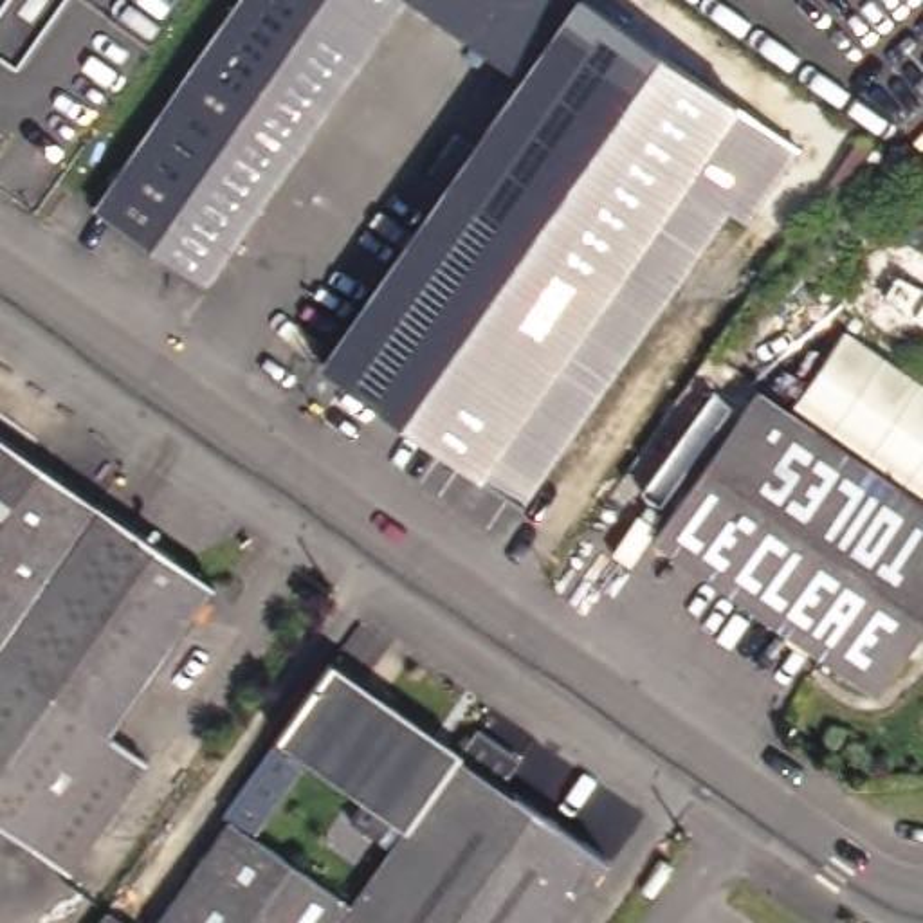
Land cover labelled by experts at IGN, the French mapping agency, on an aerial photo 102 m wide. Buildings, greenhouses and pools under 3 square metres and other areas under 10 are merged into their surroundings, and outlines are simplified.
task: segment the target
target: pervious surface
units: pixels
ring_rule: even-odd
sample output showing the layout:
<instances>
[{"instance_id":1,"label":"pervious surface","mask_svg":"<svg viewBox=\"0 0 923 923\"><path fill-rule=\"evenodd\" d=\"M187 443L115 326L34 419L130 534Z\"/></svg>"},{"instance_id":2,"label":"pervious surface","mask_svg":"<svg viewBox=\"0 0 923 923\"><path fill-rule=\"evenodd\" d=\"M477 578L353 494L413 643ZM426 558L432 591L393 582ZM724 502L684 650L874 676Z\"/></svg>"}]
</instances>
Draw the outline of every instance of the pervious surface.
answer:
<instances>
[{"instance_id":1,"label":"pervious surface","mask_svg":"<svg viewBox=\"0 0 923 923\"><path fill-rule=\"evenodd\" d=\"M790 141L800 148L800 155L786 159L786 169L764 187L746 224L728 220L725 231L710 242L707 256L696 263L692 278L681 285L663 317L649 328L635 357L620 368L617 382L606 389L606 397L577 433L573 447L559 458L541 490L526 501L523 526L562 537L591 505L591 490L606 476L606 469L613 469L620 480L649 483L660 462L678 443L678 436L710 400L699 368L707 364L717 343L739 314L743 299L750 299L750 292L757 288L768 288L764 263L775 252L768 238L775 234L775 216L793 220L818 198L836 202L840 184L858 166L865 166L862 148L847 144L840 130L833 130L822 119L808 137L790 133Z\"/></svg>"}]
</instances>

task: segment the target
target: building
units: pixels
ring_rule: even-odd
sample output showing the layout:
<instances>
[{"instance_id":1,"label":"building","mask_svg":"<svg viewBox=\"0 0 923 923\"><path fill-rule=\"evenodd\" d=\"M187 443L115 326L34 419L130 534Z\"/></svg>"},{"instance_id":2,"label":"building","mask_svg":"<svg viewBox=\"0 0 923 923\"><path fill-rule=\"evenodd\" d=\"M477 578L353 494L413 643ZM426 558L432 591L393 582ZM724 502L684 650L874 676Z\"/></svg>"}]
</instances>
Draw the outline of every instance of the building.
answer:
<instances>
[{"instance_id":1,"label":"building","mask_svg":"<svg viewBox=\"0 0 923 923\"><path fill-rule=\"evenodd\" d=\"M725 602L732 602L736 617L746 627L764 624L790 653L818 660L818 667L829 667L858 696L880 696L891 674L909 656L909 649L923 642L923 382L880 361L862 343L840 339L800 404L779 407L768 397L750 400L739 429L710 462L692 498L678 512L678 519L685 519L678 534L681 548L714 566L703 584L714 588Z\"/></svg>"},{"instance_id":2,"label":"building","mask_svg":"<svg viewBox=\"0 0 923 923\"><path fill-rule=\"evenodd\" d=\"M379 873L368 880L361 898L339 901L303 876L296 840L278 840L267 833L267 815L288 797L285 790L303 772L314 772L332 790L339 790L343 804L357 804L357 815L350 822L357 833L368 836L368 847L386 851ZM606 869L599 854L580 847L573 836L555 829L523 800L505 797L501 790L472 775L447 743L433 739L422 725L371 696L353 678L324 671L303 699L303 707L285 725L285 732L278 736L274 750L260 761L245 790L234 797L220 840L195 869L195 876L187 880L173 909L162 916L162 923L606 923L631 891L620 876Z\"/></svg>"},{"instance_id":3,"label":"building","mask_svg":"<svg viewBox=\"0 0 923 923\"><path fill-rule=\"evenodd\" d=\"M101 894L105 876L90 873L94 844L108 833L112 818L119 815L130 790L141 782L141 772L148 764L144 746L123 732L133 721L137 703L144 699L144 678L151 674L151 663L137 653L159 631L177 645L177 638L195 624L209 624L216 591L213 584L198 580L195 573L173 562L166 552L159 552L155 534L133 534L130 526L79 498L76 490L69 490L65 483L58 483L36 462L29 462L0 440L0 840L22 847L54 876L87 880Z\"/></svg>"},{"instance_id":4,"label":"building","mask_svg":"<svg viewBox=\"0 0 923 923\"><path fill-rule=\"evenodd\" d=\"M54 29L65 22L72 0L0 0L0 72L29 72L29 65L54 36Z\"/></svg>"},{"instance_id":5,"label":"building","mask_svg":"<svg viewBox=\"0 0 923 923\"><path fill-rule=\"evenodd\" d=\"M166 97L166 105L159 108L159 115L148 123L148 130L141 133L141 141L133 144L105 195L97 202L87 202L79 245L90 245L90 238L119 231L133 245L151 249L159 263L191 274L195 285L216 285L234 256L245 256L249 231L267 213L278 187L310 151L314 137L324 130L346 90L368 69L371 54L393 32L407 7L422 11L443 32L451 32L462 43L462 54L480 54L483 65L508 72L519 61L526 40L534 36L548 0L234 0L224 22L198 50L198 58L173 87L173 94Z\"/></svg>"},{"instance_id":6,"label":"building","mask_svg":"<svg viewBox=\"0 0 923 923\"><path fill-rule=\"evenodd\" d=\"M606 397L606 389L617 382L620 368L635 357L649 328L663 317L681 285L692 278L696 263L707 256L710 242L725 231L728 220L746 224L764 187L786 169L786 159L800 155L800 148L790 141L761 126L754 115L728 108L681 72L660 65L645 47L638 47L591 7L573 7L548 40L548 47L537 54L530 72L512 87L512 94L483 130L480 144L458 166L458 173L429 206L429 213L411 216L411 242L400 249L400 256L389 263L389 270L364 299L353 324L321 361L324 379L339 386L346 397L368 404L389 425L400 425L407 443L451 465L469 483L498 487L526 501L541 490L559 458L573 447L577 433Z\"/></svg>"}]
</instances>

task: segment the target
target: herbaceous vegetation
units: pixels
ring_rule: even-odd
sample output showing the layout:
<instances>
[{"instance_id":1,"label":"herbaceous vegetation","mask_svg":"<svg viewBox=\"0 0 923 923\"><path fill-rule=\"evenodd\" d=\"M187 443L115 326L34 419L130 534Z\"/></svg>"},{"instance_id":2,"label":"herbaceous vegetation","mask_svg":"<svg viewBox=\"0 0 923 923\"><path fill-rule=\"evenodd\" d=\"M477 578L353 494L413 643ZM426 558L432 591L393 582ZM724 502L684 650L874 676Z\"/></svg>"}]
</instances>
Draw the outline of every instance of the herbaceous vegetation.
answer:
<instances>
[{"instance_id":1,"label":"herbaceous vegetation","mask_svg":"<svg viewBox=\"0 0 923 923\"><path fill-rule=\"evenodd\" d=\"M288 797L267 815L267 833L278 840L296 840L303 876L339 901L361 898L368 880L379 873L386 851L368 847L357 865L350 865L343 854L328 847L324 833L343 804L339 790L332 790L314 772L303 772L285 790Z\"/></svg>"},{"instance_id":2,"label":"herbaceous vegetation","mask_svg":"<svg viewBox=\"0 0 923 923\"><path fill-rule=\"evenodd\" d=\"M631 891L606 923L642 923L653 901L642 887Z\"/></svg>"},{"instance_id":3,"label":"herbaceous vegetation","mask_svg":"<svg viewBox=\"0 0 923 923\"><path fill-rule=\"evenodd\" d=\"M916 775L901 775L851 786L862 800L887 808L898 818L923 815L923 782Z\"/></svg>"},{"instance_id":4,"label":"herbaceous vegetation","mask_svg":"<svg viewBox=\"0 0 923 923\"><path fill-rule=\"evenodd\" d=\"M782 707L790 707L790 725L804 728L804 754L818 768L826 764L826 736L833 728L833 717L847 710L833 703L815 681L793 681L786 689Z\"/></svg>"},{"instance_id":5,"label":"herbaceous vegetation","mask_svg":"<svg viewBox=\"0 0 923 923\"><path fill-rule=\"evenodd\" d=\"M166 105L166 97L173 94L173 87L198 58L198 50L224 22L234 0L180 0L159 22L159 32L151 36L155 47L144 58L126 58L126 87L112 90L101 105L101 115L115 126L115 137L105 159L83 180L87 202L97 202L105 195L133 144L141 141L141 133L148 130L148 123L159 115L159 108Z\"/></svg>"},{"instance_id":6,"label":"herbaceous vegetation","mask_svg":"<svg viewBox=\"0 0 923 923\"><path fill-rule=\"evenodd\" d=\"M231 584L231 573L245 559L242 541L206 548L202 566L195 573L198 580L213 584Z\"/></svg>"},{"instance_id":7,"label":"herbaceous vegetation","mask_svg":"<svg viewBox=\"0 0 923 923\"><path fill-rule=\"evenodd\" d=\"M400 667L393 681L415 703L422 703L429 714L443 721L458 696L429 674Z\"/></svg>"},{"instance_id":8,"label":"herbaceous vegetation","mask_svg":"<svg viewBox=\"0 0 923 923\"><path fill-rule=\"evenodd\" d=\"M772 901L754 883L736 880L728 891L728 905L746 912L754 923L804 923L797 912Z\"/></svg>"}]
</instances>

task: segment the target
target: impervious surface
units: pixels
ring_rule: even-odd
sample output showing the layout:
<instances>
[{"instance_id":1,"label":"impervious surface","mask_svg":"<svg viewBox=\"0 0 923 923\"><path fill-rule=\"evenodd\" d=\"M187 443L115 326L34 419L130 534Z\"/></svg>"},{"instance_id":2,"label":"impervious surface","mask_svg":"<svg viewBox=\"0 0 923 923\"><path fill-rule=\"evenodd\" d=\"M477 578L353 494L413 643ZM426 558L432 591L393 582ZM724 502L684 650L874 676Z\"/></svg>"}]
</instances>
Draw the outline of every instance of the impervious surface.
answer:
<instances>
[{"instance_id":1,"label":"impervious surface","mask_svg":"<svg viewBox=\"0 0 923 923\"><path fill-rule=\"evenodd\" d=\"M923 382L923 252L905 245L887 245L873 252L862 292L854 299L836 303L833 296L808 296L808 288L793 278L786 303L779 306L779 314L764 317L754 328L754 343L746 343L743 353L721 350L717 343L707 364L699 368L710 400L678 436L678 443L660 462L649 483L620 480L613 469L606 469L606 476L591 490L591 505L562 537L523 526L526 501L498 487L469 483L451 465L407 443L400 425L389 425L368 404L346 397L339 386L324 379L321 361L353 324L364 299L389 270L389 263L400 256L400 249L411 242L411 216L429 213L429 206L458 173L458 166L480 144L483 130L512 94L512 87L530 72L537 54L548 47L548 40L573 7L591 7L638 47L645 47L660 65L681 72L728 108L754 115L761 126L790 141L790 133L808 137L822 119L818 108L797 101L782 83L750 69L739 54L717 47L696 22L667 7L663 0L548 0L534 36L526 40L519 61L508 72L483 65L480 54L462 54L462 43L451 32L443 32L422 11L407 7L393 32L371 54L368 69L346 90L324 130L314 137L310 151L278 187L267 213L249 231L245 256L234 256L216 285L195 285L191 274L159 263L151 249L133 245L119 231L90 238L90 245L79 245L87 202L83 180L105 159L115 137L115 126L101 115L101 105L112 90L126 87L126 58L144 58L155 47L151 36L159 32L159 22L180 0L72 0L65 22L54 29L54 36L29 65L29 72L0 72L0 440L29 462L36 462L58 483L65 483L69 490L76 490L79 498L130 526L133 534L155 534L159 552L166 552L173 562L195 573L202 566L206 548L242 541L245 559L231 573L231 584L213 584L216 591L209 624L195 624L177 638L177 645L159 631L137 653L151 663L151 674L144 678L144 699L137 703L133 721L123 732L144 746L148 764L141 772L141 782L130 790L119 815L112 818L108 833L94 844L90 873L105 876L101 894L87 880L54 876L22 847L0 840L0 923L162 923L162 916L173 909L187 880L195 876L195 869L220 840L234 797L245 790L260 761L274 750L278 736L285 732L285 725L303 707L303 699L324 671L353 678L371 696L422 725L433 739L447 743L472 775L501 790L505 797L523 800L555 829L573 836L580 847L599 854L606 869L620 876L631 891L642 887L653 901L642 923L754 923L746 912L728 905L728 891L736 880L754 883L772 901L797 912L804 923L923 923L923 815L898 818L887 808L862 800L851 786L818 768L804 754L804 728L790 725L790 707L782 707L786 689L793 681L815 681L833 703L847 710L891 710L901 703L905 692L912 692L923 681L923 642L909 649L909 656L891 674L880 696L858 696L829 667L818 667L818 660L790 653L764 624L746 627L736 617L732 602L725 602L714 588L703 584L714 566L681 548L678 534L685 519L678 519L678 512L692 498L710 462L739 429L750 400L768 397L779 407L800 404L840 339L862 343L880 361ZM303 638L303 649L281 667L278 696L263 703L260 717L249 717L238 728L231 750L220 761L209 761L198 754L198 739L227 725L242 689L263 667L256 660L270 645L263 609L288 588L296 595L324 595L332 588L335 606L324 613L324 635ZM458 696L443 721L429 714L422 703L415 703L393 681L400 667L429 674Z\"/></svg>"},{"instance_id":2,"label":"impervious surface","mask_svg":"<svg viewBox=\"0 0 923 923\"><path fill-rule=\"evenodd\" d=\"M800 83L808 83L829 105L840 105L865 130L880 137L901 133L912 144L912 151L923 151L923 0L692 0L703 14L710 14L732 36L743 36L779 69L800 76Z\"/></svg>"},{"instance_id":3,"label":"impervious surface","mask_svg":"<svg viewBox=\"0 0 923 923\"><path fill-rule=\"evenodd\" d=\"M357 815L357 804L343 804L324 833L328 847L343 854L350 865L357 865L368 847L368 836L357 833L350 822Z\"/></svg>"}]
</instances>

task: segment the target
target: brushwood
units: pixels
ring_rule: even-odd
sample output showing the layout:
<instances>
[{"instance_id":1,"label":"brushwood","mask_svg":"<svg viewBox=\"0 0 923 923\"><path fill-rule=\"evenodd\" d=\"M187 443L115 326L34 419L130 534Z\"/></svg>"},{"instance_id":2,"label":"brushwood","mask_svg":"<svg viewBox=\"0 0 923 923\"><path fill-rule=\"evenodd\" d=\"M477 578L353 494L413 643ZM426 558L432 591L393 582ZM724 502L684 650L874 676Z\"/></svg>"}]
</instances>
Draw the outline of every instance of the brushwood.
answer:
<instances>
[{"instance_id":1,"label":"brushwood","mask_svg":"<svg viewBox=\"0 0 923 923\"><path fill-rule=\"evenodd\" d=\"M808 296L833 296L836 303L854 299L862 292L873 252L887 245L905 245L923 252L923 151L912 151L912 144L901 133L880 137L865 130L840 105L829 105L808 83L800 83L800 76L779 69L743 36L732 36L710 14L703 14L692 0L663 0L667 7L696 22L717 47L739 54L750 69L782 83L797 101L818 108L822 119L833 130L840 130L847 144L862 148L865 166L858 166L840 184L836 202L818 198L793 220L775 216L775 234L768 238L775 252L764 263L768 288L757 288L750 292L750 299L743 299L739 314L717 343L721 350L743 353L746 343L754 343L754 328L764 317L779 314L779 306L786 303L793 278L808 288Z\"/></svg>"},{"instance_id":2,"label":"brushwood","mask_svg":"<svg viewBox=\"0 0 923 923\"><path fill-rule=\"evenodd\" d=\"M818 768L851 786L901 775L916 775L923 782L923 681L912 692L905 692L901 703L891 710L847 710L833 717L833 728L826 736L826 764Z\"/></svg>"},{"instance_id":3,"label":"brushwood","mask_svg":"<svg viewBox=\"0 0 923 923\"><path fill-rule=\"evenodd\" d=\"M263 667L242 689L227 725L198 739L198 754L209 761L220 761L231 750L238 728L249 717L260 717L263 703L278 696L281 667L303 649L303 638L324 635L324 613L335 606L332 588L324 595L296 595L288 588L263 609L270 645L256 660Z\"/></svg>"}]
</instances>

